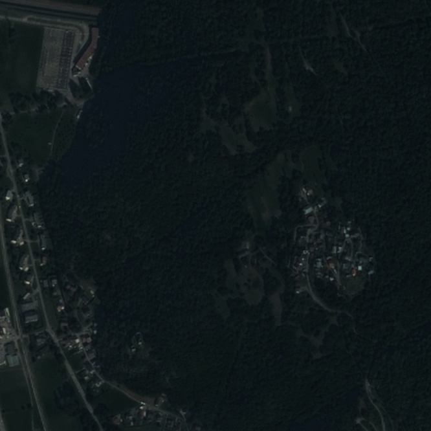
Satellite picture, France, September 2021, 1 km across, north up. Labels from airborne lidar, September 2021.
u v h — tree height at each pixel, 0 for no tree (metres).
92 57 0
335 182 17
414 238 13
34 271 0
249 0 14
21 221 0
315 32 18
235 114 14
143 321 20
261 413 17
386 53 29
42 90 0
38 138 0
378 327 27
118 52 10
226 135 0
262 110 0
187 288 20
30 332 13
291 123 9
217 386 20
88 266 11
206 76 19
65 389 0
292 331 14
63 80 0
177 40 25
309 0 13
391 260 12
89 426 17
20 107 20
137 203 17
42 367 0
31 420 0
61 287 9
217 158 13
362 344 20
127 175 15
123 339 9
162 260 23
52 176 26
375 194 20
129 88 14
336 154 19
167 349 18
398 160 20
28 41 0
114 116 14
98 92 19
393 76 26
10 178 0
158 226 16
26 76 0
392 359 17
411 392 15
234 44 14
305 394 25
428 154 19
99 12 0
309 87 24
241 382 35
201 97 12
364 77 12
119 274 22
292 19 17
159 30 20
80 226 17
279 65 20
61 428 0
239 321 12
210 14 12
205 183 18
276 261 13
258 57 14
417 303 17
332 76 23
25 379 0
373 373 19
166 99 24
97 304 5
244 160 21
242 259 9
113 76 18
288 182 15
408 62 21
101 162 14
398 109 16
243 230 18
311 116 18
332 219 26
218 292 9
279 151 24
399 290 21
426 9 22
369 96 31
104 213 14
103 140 22
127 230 17
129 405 0
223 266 9
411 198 25
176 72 23
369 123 22
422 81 20
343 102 24
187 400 23
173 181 20
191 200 20
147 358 7
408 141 17
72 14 0
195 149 14
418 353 15
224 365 26
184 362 14
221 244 22
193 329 13
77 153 24
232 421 20
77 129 7
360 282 0
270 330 24
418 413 17
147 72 18
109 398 0
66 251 18
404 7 17
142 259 34
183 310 16
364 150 22
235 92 17
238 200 15
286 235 9
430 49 26
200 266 14
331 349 17
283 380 19
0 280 0
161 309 18
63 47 0
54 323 0
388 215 19
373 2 29
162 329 20
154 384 24
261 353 27
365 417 21
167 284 14
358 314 21
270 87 0
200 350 14
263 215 0
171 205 13
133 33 19
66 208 16
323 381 27
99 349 9
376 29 13
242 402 32
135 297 16
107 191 13
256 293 0
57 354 13
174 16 26
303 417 25
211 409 30
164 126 19
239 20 17
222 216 11
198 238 19
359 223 13
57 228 22
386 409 12
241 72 17
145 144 13
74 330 10
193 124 23
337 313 10
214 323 16
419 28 10
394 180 19
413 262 21
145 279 16
